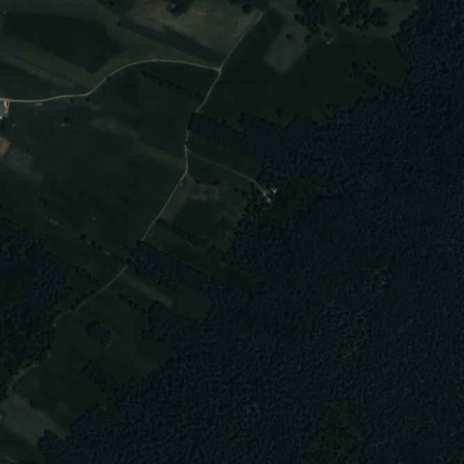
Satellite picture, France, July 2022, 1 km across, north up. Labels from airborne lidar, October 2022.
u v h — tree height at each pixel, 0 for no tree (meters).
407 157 23
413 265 22
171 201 0
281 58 0
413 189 25
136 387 8
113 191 0
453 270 27
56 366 0
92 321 0
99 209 0
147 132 0
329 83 0
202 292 21
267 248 23
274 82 0
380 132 27
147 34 0
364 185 29
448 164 23
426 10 17
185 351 16
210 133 21
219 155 0
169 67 0
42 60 0
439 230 22
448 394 21
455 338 19
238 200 0
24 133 0
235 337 20
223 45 0
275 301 21
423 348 17
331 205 28
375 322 22
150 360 0
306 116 0
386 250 26
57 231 0
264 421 31
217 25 0
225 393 32
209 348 29
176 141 0
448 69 26
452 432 26
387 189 31
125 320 0
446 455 25
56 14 0
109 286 0
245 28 0
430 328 19
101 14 0
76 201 0
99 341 22
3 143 0
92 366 14
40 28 0
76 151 0
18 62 0
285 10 0
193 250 0
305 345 26
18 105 0
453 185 23
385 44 0
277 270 26
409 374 18
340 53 0
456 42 31
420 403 20
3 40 0
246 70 0
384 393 15
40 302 18
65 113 0
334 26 0
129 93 0
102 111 0
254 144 21
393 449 18
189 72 0
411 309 17
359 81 0
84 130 0
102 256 0
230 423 11
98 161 0
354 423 6
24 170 0
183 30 0
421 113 30
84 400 0
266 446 26
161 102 0
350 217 28
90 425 23
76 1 0
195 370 16
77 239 0
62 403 0
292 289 21
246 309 27
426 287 30
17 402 0
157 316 23
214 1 0
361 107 24
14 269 22
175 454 19
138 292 0
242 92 0
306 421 10
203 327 16
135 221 0
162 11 0
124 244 0
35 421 0
